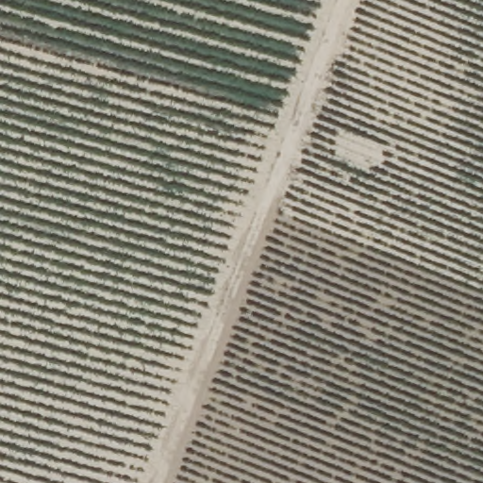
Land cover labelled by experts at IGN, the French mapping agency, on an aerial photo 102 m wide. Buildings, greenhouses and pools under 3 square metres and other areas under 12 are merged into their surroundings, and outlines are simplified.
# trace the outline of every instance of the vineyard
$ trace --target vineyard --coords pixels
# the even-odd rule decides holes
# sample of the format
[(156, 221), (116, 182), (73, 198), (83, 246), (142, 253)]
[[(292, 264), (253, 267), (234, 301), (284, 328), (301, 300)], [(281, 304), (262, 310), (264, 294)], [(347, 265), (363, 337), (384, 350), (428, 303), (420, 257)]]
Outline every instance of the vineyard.
[(315, 9), (321, 8), (323, 0), (0, 0), (0, 483), (138, 483), (138, 479), (132, 475), (134, 472), (143, 472), (143, 462), (147, 462), (149, 457), (143, 457), (143, 451), (151, 451), (149, 443), (157, 438), (153, 434), (153, 428), (162, 428), (166, 415), (160, 409), (162, 406), (168, 406), (168, 400), (149, 396), (149, 391), (170, 394), (170, 383), (175, 385), (177, 381), (174, 377), (168, 377), (168, 372), (181, 372), (181, 368), (177, 368), (177, 362), (183, 360), (185, 355), (185, 343), (175, 341), (174, 336), (192, 340), (194, 330), (198, 328), (202, 315), (194, 309), (189, 309), (189, 304), (208, 308), (208, 302), (189, 298), (185, 296), (185, 291), (213, 294), (213, 277), (225, 262), (223, 257), (206, 253), (206, 247), (226, 251), (225, 243), (209, 241), (209, 236), (230, 240), (230, 234), (213, 230), (213, 225), (232, 226), (223, 219), (223, 215), (236, 217), (236, 211), (221, 209), (217, 202), (243, 206), (241, 200), (232, 200), (232, 194), (249, 194), (247, 189), (240, 189), (236, 185), (238, 181), (255, 183), (251, 177), (241, 177), (241, 172), (257, 172), (257, 168), (243, 166), (240, 164), (241, 158), (260, 162), (262, 158), (251, 153), (243, 153), (243, 147), (247, 145), (262, 151), (266, 149), (264, 145), (253, 142), (253, 138), (268, 138), (275, 125), (260, 121), (260, 115), (279, 115), (283, 98), (287, 96), (289, 81), (292, 75), (296, 74), (296, 68), (300, 64), (298, 55), (304, 51), (308, 43), (309, 30), (313, 30)]
[(209, 398), (204, 404), (204, 419), (215, 421), (215, 426), (196, 421), (194, 440), (189, 443), (185, 457), (181, 460), (181, 470), (175, 477), (175, 483), (483, 483), (483, 0), (360, 0), (355, 13), (355, 23), (349, 30), (349, 51), (353, 51), (355, 57), (340, 55), (338, 60), (330, 64), (330, 87), (325, 89), (328, 100), (313, 123), (313, 132), (309, 132), (311, 142), (304, 145), (302, 162), (296, 168), (298, 174), (309, 175), (309, 181), (304, 181), (304, 189), (289, 185), (287, 192), (277, 194), (272, 202), (275, 213), (285, 215), (287, 221), (274, 219), (274, 230), (270, 236), (266, 236), (266, 247), (260, 255), (260, 266), (257, 272), (251, 275), (247, 300), (243, 302), (240, 319), (234, 325), (234, 336), (226, 343), (225, 360), (217, 377), (213, 377), (209, 391), (221, 396)]

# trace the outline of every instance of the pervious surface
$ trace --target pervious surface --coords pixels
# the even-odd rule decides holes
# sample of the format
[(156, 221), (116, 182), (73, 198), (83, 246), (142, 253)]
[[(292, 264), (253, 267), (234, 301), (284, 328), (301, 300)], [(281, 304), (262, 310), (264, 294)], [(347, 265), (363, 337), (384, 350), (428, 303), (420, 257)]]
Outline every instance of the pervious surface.
[(260, 115), (260, 121), (275, 125), (268, 138), (253, 138), (253, 142), (264, 145), (266, 149), (262, 151), (247, 145), (243, 147), (243, 153), (251, 153), (262, 158), (260, 162), (241, 158), (240, 164), (243, 166), (257, 168), (257, 172), (241, 172), (241, 177), (251, 177), (255, 183), (238, 181), (236, 185), (240, 189), (247, 189), (249, 194), (232, 194), (232, 200), (241, 200), (243, 206), (217, 202), (221, 209), (236, 211), (236, 217), (223, 215), (223, 219), (232, 226), (213, 225), (213, 230), (230, 234), (230, 240), (209, 236), (209, 241), (225, 243), (226, 251), (206, 247), (206, 253), (223, 257), (225, 262), (213, 277), (213, 294), (185, 291), (185, 296), (189, 298), (208, 302), (208, 308), (189, 304), (189, 309), (194, 309), (202, 315), (198, 328), (194, 330), (192, 340), (174, 336), (175, 341), (185, 343), (185, 355), (183, 360), (177, 362), (177, 368), (181, 368), (181, 372), (168, 372), (168, 377), (174, 377), (177, 381), (175, 385), (170, 383), (170, 394), (149, 391), (149, 396), (168, 400), (168, 406), (162, 406), (160, 409), (166, 415), (162, 428), (153, 428), (153, 434), (157, 438), (149, 443), (151, 451), (143, 451), (143, 457), (149, 457), (147, 462), (143, 462), (143, 472), (134, 472), (132, 475), (138, 479), (138, 483), (175, 483), (175, 477), (181, 470), (181, 460), (185, 457), (189, 443), (194, 440), (196, 421), (215, 426), (215, 421), (204, 419), (204, 404), (209, 398), (221, 396), (209, 391), (213, 377), (217, 377), (225, 360), (226, 343), (234, 336), (234, 325), (240, 319), (243, 302), (247, 300), (251, 275), (257, 272), (260, 266), (260, 255), (266, 247), (266, 236), (270, 236), (274, 230), (274, 219), (287, 221), (285, 215), (275, 213), (272, 202), (277, 194), (287, 192), (289, 185), (304, 189), (304, 181), (309, 181), (309, 175), (298, 174), (296, 168), (302, 162), (304, 145), (311, 142), (309, 132), (313, 132), (313, 123), (328, 100), (325, 89), (330, 87), (330, 64), (338, 60), (340, 55), (355, 57), (353, 51), (349, 51), (349, 30), (355, 23), (355, 13), (360, 0), (323, 0), (321, 8), (315, 9), (313, 30), (309, 30), (308, 43), (304, 51), (298, 55), (300, 64), (296, 68), (296, 74), (292, 75), (289, 81), (287, 96), (283, 98), (279, 115)]

